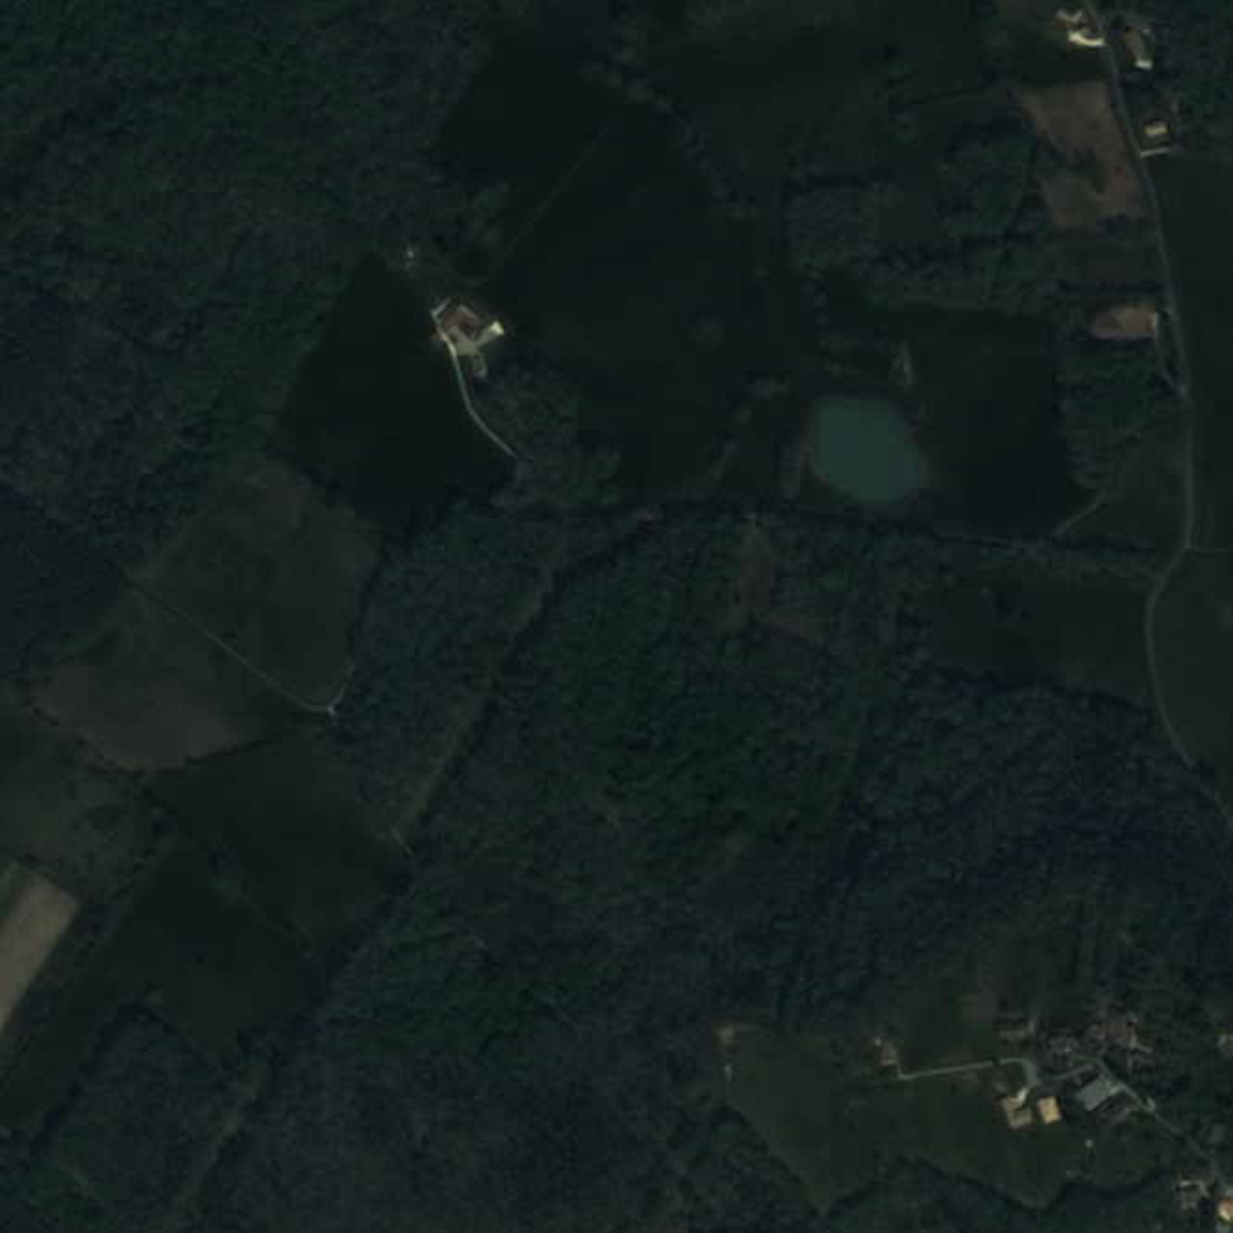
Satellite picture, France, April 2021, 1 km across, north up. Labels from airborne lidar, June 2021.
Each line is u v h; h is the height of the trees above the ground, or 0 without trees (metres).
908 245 0
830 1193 0
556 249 0
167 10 23
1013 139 20
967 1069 0
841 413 0
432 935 27
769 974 21
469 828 23
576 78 0
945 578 11
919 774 30
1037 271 24
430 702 21
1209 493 0
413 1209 13
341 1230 19
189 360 18
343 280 21
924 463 0
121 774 8
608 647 26
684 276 0
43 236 14
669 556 23
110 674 0
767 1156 16
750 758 22
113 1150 23
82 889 0
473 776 22
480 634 22
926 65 0
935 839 27
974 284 25
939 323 0
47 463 17
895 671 16
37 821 0
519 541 21
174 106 28
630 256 0
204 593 0
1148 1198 20
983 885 8
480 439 0
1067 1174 0
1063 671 0
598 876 24
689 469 0
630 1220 25
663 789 26
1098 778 21
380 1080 17
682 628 22
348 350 0
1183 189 0
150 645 0
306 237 20
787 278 0
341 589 0
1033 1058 11
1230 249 0
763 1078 0
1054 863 17
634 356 0
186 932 0
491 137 0
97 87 9
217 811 0
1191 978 15
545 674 28
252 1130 19
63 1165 25
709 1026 19
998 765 26
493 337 0
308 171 18
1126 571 17
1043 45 0
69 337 24
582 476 23
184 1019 0
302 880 0
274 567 0
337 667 0
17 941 0
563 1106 20
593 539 17
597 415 0
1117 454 17
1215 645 0
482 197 22
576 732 20
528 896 9
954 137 0
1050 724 24
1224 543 0
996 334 0
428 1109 16
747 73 0
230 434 20
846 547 18
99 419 20
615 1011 21
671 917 12
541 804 21
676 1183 16
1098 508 0
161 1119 23
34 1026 9
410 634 23
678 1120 9
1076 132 0
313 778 0
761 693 17
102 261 11
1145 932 12
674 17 0
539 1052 26
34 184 18
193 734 0
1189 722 0
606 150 0
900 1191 19
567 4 0
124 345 13
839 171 0
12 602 24
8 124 23
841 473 0
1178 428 13
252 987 0
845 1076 13
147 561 18
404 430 0
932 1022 0
